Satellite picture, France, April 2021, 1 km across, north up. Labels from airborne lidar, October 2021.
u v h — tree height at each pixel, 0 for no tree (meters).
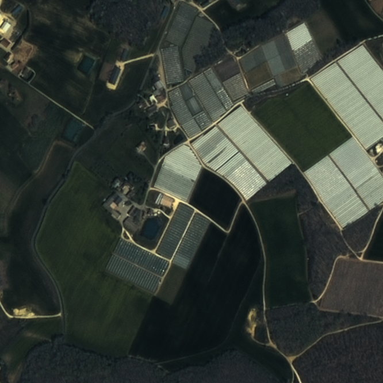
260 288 0
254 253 0
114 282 0
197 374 12
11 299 0
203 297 0
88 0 0
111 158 0
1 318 0
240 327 0
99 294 0
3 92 0
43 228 0
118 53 0
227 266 0
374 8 0
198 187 0
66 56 0
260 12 0
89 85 0
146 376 17
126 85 0
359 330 7
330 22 0
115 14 22
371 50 0
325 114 0
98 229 0
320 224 11
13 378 0
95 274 0
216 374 16
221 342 0
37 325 0
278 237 0
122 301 0
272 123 0
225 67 0
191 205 0
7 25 0
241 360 14
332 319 23
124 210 0
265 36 20
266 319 8
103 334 0
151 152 0
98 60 0
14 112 0
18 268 0
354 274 0
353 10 0
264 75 0
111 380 17
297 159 0
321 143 0
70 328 0
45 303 0
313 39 0
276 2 0
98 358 23
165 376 11
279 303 0
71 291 0
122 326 0
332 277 0
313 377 8
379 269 0
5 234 0
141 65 0
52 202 0
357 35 0
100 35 0
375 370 7
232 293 0
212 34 16
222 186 0
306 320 18
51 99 0
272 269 0
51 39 0
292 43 0
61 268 0
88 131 0
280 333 19
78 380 21
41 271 0
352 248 19
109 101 0
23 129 0
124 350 0
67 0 0
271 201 0
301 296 0
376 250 0
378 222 0
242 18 0
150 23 22
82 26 0
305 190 17
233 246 0
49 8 0
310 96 0
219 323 0
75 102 0
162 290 0
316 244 19
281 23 22
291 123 0
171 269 0
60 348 19
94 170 7
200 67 21
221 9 0
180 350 0
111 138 0
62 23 0
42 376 16
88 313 0
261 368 13
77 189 0
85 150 0
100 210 0
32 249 0
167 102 0
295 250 0
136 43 15
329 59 10
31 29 0
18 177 0
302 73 0
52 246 0
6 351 0
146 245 0
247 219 0
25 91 0
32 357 14
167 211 0
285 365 0
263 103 0
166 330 0
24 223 0
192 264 0
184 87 0
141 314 0
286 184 9
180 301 0
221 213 0
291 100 0
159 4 19
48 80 0
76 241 0
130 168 0
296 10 20
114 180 6
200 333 0
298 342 27
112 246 0
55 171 0
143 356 0
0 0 0
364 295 0
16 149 0
